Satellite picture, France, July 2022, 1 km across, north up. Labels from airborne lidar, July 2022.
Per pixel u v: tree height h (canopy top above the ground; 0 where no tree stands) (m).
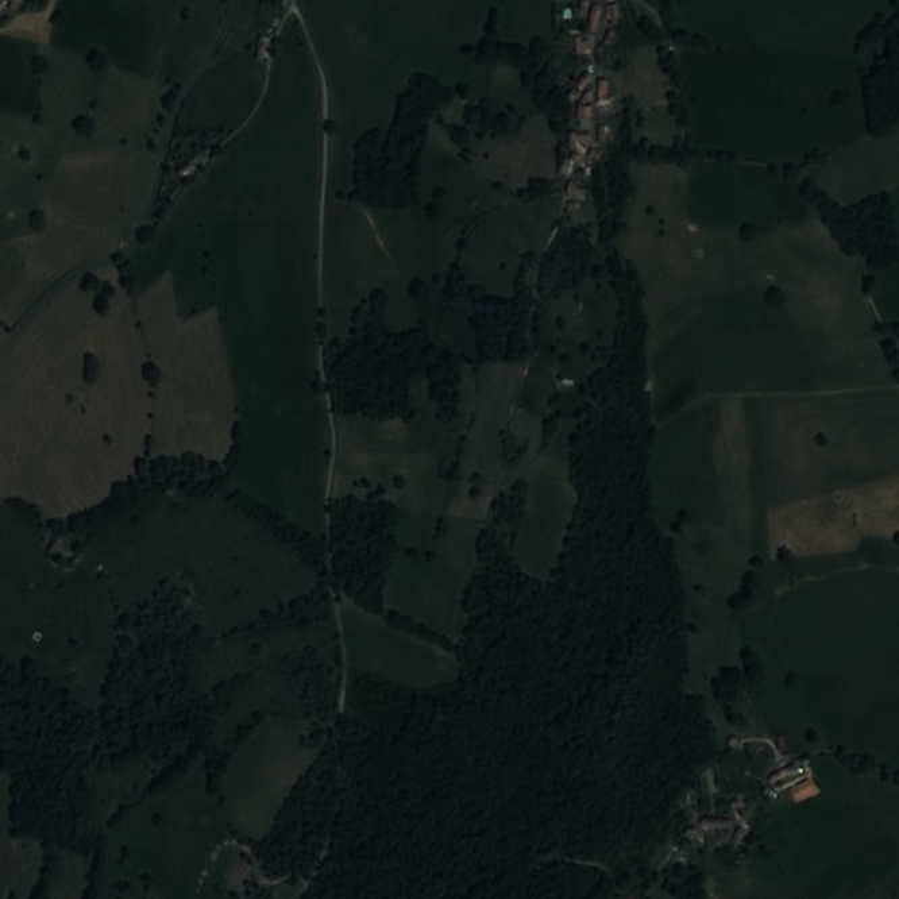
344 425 0
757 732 0
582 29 9
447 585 0
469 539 0
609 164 11
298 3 0
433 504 0
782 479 0
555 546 0
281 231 0
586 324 0
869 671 0
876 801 0
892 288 0
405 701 7
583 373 0
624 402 15
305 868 12
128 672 18
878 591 0
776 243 0
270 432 0
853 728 0
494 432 0
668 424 0
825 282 0
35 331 0
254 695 0
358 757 19
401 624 19
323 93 0
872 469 0
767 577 0
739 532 0
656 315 0
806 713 0
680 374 0
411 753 27
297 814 8
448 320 0
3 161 0
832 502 0
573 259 10
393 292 0
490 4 0
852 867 0
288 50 0
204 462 12
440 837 22
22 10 5
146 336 0
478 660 9
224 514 0
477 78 0
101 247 0
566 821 28
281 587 0
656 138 0
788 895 0
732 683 25
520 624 19
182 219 0
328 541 10
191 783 0
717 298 0
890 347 21
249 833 0
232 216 0
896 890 0
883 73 23
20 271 0
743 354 0
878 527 0
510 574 10
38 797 13
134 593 0
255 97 0
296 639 0
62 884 0
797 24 0
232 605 0
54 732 9
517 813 21
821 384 0
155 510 0
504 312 19
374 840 25
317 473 0
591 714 22
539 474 0
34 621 0
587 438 13
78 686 0
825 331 0
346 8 0
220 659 0
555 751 27
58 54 0
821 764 0
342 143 0
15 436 0
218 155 7
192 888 0
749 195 0
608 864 10
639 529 16
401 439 0
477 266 0
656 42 14
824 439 14
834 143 0
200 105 0
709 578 0
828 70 0
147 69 0
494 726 19
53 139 0
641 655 21
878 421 0
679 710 19
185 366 0
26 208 0
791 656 0
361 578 14
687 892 16
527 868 16
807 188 18
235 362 0
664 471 0
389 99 0
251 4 0
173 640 7
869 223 19
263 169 0
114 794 0
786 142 0
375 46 0
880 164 0
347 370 17
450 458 0
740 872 0
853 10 0
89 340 0
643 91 0
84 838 9
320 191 0
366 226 0
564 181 0
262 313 0
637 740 11
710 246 0
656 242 0
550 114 11
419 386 0
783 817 0
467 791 20
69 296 0
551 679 20
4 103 0
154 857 0
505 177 0
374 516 15
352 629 0
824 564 0
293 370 0
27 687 19
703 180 0
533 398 0
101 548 0
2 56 0
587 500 8
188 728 18
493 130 10
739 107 0
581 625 15
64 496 0
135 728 12
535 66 7
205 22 0
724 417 0
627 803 14
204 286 0
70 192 0
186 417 0
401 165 19
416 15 0
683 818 14
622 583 19
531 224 0
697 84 0
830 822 0
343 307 0
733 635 0
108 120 0
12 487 0
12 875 0
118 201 0
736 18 0
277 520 13
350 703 6
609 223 20
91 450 0
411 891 16
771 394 0
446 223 0
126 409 0
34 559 0
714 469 0
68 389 0
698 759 23
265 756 0
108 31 0
